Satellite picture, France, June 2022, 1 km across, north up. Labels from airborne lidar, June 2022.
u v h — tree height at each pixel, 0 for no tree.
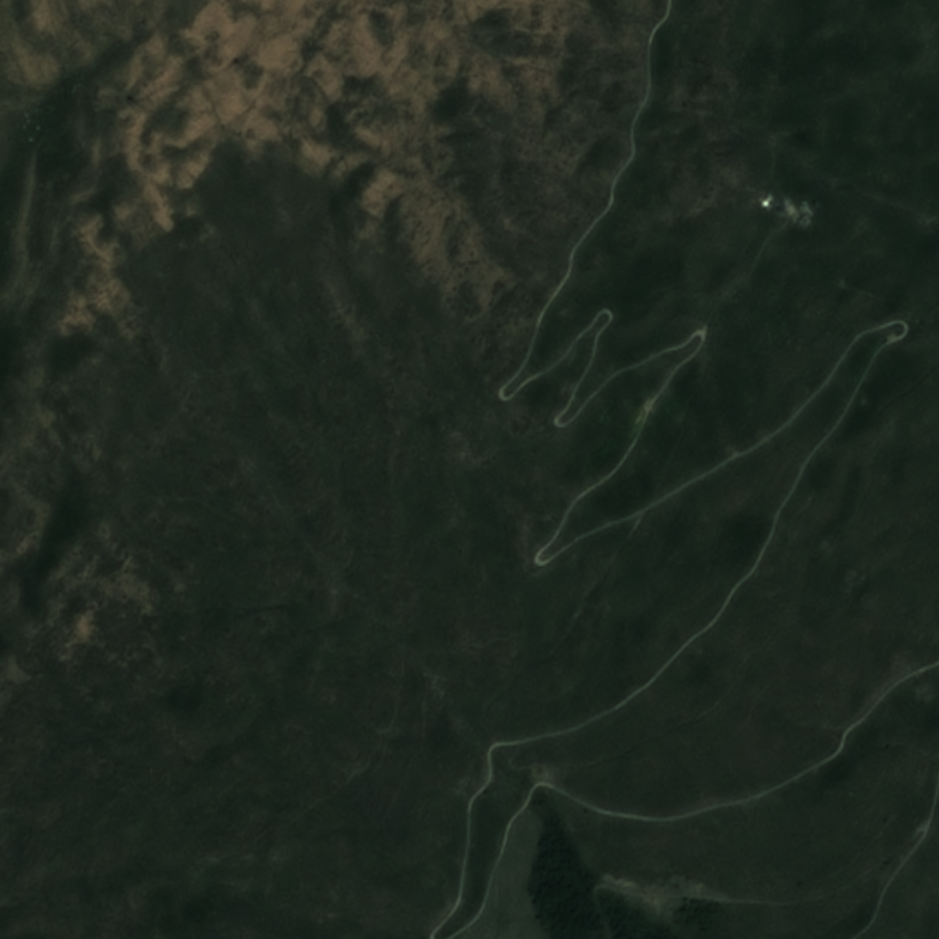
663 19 0
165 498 0
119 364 0
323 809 0
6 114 0
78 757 0
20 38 0
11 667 0
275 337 0
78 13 0
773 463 0
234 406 0
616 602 0
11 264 0
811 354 0
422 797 0
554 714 0
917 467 0
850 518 0
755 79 0
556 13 0
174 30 0
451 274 0
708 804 0
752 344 0
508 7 0
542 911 10
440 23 0
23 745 0
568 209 0
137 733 0
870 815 0
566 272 0
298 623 0
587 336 0
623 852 0
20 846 0
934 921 0
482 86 0
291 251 0
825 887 0
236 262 0
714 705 0
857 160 0
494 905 0
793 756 0
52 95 0
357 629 0
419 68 0
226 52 0
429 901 0
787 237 0
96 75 0
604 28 0
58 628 0
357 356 0
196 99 0
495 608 0
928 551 0
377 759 0
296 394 0
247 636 0
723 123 0
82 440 0
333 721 0
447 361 0
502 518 0
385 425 0
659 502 0
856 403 0
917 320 0
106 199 0
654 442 0
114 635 0
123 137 0
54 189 0
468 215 0
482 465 0
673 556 0
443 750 0
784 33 0
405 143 0
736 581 0
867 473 0
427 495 0
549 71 0
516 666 0
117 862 0
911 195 0
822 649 0
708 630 0
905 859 0
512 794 0
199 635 0
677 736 0
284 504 0
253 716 0
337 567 0
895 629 0
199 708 0
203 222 0
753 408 0
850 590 0
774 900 0
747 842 0
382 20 0
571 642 0
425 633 0
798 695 0
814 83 0
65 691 0
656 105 0
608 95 0
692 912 7
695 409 0
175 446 0
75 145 0
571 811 0
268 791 0
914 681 0
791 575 0
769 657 0
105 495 0
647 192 0
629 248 0
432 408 0
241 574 0
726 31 0
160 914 0
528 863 0
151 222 0
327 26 0
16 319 0
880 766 0
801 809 0
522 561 0
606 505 0
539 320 0
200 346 0
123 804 0
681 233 0
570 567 0
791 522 0
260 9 0
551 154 0
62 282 0
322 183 0
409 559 0
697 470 0
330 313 0
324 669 0
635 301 0
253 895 0
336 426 0
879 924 0
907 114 0
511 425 0
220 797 0
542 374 0
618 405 0
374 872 0
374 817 0
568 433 0
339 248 0
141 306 0
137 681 0
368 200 0
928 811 0
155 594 0
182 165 0
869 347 0
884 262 0
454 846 0
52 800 0
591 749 0
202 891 0
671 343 0
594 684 0
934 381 0
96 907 0
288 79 0
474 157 0
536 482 0
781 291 0
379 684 0
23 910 0
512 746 0
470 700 0
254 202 0
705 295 0
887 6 0
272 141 0
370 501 0
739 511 0
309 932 0
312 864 0
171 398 0
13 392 0
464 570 0
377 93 0
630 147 0
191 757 0
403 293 0
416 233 0
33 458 0
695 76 0
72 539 0
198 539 0
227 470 0
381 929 0
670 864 0
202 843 0
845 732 0
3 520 0
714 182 0
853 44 0
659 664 0
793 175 0
